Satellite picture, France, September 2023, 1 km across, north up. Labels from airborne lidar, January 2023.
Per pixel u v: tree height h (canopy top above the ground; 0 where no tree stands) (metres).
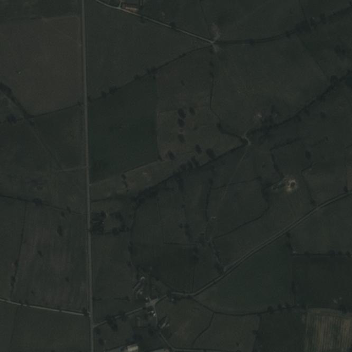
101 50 0
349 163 0
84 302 0
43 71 0
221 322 0
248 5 0
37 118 0
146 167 0
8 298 0
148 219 0
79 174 0
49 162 0
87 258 0
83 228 0
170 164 0
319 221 0
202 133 0
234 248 0
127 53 0
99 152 0
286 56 0
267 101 0
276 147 10
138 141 0
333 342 0
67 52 0
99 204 0
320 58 0
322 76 0
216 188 0
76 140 0
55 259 0
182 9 0
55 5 0
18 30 0
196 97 0
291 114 0
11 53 0
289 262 0
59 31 0
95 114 0
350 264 0
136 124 0
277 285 0
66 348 0
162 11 0
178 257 0
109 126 0
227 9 0
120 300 0
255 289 0
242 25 0
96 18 0
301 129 0
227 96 0
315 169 0
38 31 0
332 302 0
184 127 0
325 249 0
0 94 0
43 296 0
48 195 0
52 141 0
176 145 0
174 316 0
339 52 18
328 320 0
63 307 0
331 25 0
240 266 0
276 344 0
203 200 0
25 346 0
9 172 0
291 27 0
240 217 0
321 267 0
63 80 0
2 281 0
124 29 0
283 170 0
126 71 0
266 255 0
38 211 0
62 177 0
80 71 0
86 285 0
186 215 0
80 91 0
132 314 0
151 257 0
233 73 0
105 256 0
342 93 0
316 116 0
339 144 0
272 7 0
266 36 0
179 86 0
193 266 0
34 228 0
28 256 0
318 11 0
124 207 0
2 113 0
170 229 0
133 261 0
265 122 9
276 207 0
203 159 0
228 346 0
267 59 0
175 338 0
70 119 0
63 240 0
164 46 0
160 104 0
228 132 0
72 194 0
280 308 15
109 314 0
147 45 0
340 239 0
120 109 0
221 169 0
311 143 0
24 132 0
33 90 0
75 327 0
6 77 0
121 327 0
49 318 0
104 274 0
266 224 0
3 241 0
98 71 0
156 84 0
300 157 0
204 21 0
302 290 0
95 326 0
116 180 0
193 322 0
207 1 0
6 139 0
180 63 0
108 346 0
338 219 0
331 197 0
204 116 0
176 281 0
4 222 0
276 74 0
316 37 0
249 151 0
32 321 0
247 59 0
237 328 0
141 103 0
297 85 0
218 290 0
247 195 0
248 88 0
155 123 0
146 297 0
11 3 0
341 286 0
